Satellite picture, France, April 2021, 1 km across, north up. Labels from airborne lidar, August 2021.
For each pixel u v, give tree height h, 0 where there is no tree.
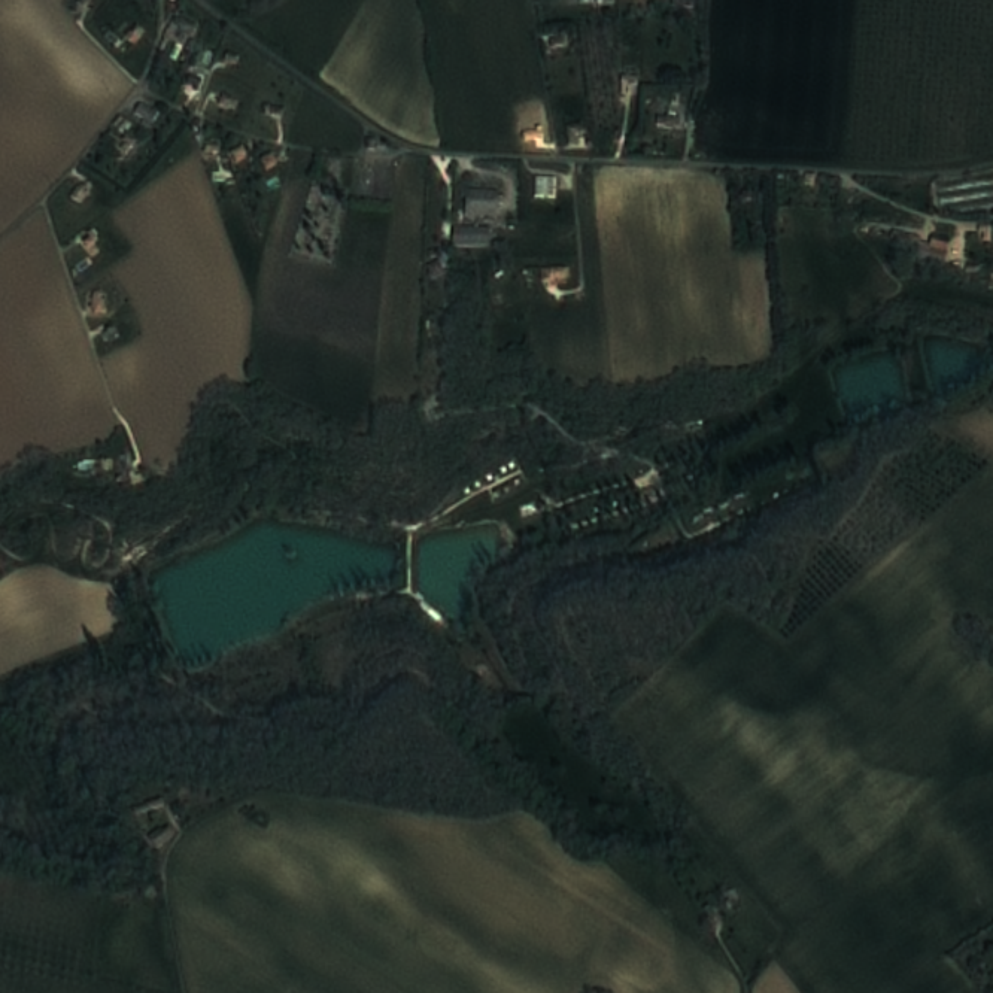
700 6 16
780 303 9
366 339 0
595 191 0
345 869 0
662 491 12
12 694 16
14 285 0
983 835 0
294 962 0
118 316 0
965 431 0
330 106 0
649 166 0
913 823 0
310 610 0
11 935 9
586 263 0
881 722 0
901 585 0
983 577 0
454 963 0
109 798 17
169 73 6
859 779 0
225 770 18
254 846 0
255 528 0
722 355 0
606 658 11
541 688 15
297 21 0
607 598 16
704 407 27
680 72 11
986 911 0
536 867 0
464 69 0
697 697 0
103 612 0
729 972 0
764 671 0
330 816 0
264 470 21
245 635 0
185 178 0
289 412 10
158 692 11
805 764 0
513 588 12
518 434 13
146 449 0
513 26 0
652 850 15
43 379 0
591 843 22
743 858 0
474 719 21
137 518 14
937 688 0
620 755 16
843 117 0
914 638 0
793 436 0
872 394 0
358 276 0
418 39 0
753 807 0
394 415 19
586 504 16
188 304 0
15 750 12
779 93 0
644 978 0
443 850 0
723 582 16
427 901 0
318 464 12
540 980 0
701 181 0
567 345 0
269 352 0
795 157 0
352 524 21
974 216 14
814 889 0
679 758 0
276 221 0
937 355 0
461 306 18
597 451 17
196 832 0
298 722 23
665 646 15
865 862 0
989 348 7
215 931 0
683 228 0
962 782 0
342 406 0
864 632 0
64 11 0
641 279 0
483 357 20
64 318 0
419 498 8
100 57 0
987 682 0
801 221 0
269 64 0
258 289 0
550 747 0
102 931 0
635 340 0
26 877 12
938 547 0
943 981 0
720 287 0
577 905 0
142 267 0
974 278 9
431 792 16
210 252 0
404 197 0
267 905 0
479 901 0
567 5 0
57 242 0
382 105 0
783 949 0
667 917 0
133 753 22
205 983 0
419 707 13
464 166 0
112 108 0
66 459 5
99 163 11
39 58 0
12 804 21
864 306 0
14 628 0
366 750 18
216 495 12
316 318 0
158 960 0
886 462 11
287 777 15
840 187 5
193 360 0
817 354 0
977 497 0
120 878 12
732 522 11
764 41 0
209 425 21
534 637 8
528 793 15
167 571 0
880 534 8
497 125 0
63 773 18
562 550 14
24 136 0
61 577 0
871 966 0
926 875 0
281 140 0
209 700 9
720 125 0
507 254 14
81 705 9
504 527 0
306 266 0
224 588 0
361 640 9
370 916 0
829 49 0
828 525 16
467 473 18
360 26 0
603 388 16
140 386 0
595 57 9
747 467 0
